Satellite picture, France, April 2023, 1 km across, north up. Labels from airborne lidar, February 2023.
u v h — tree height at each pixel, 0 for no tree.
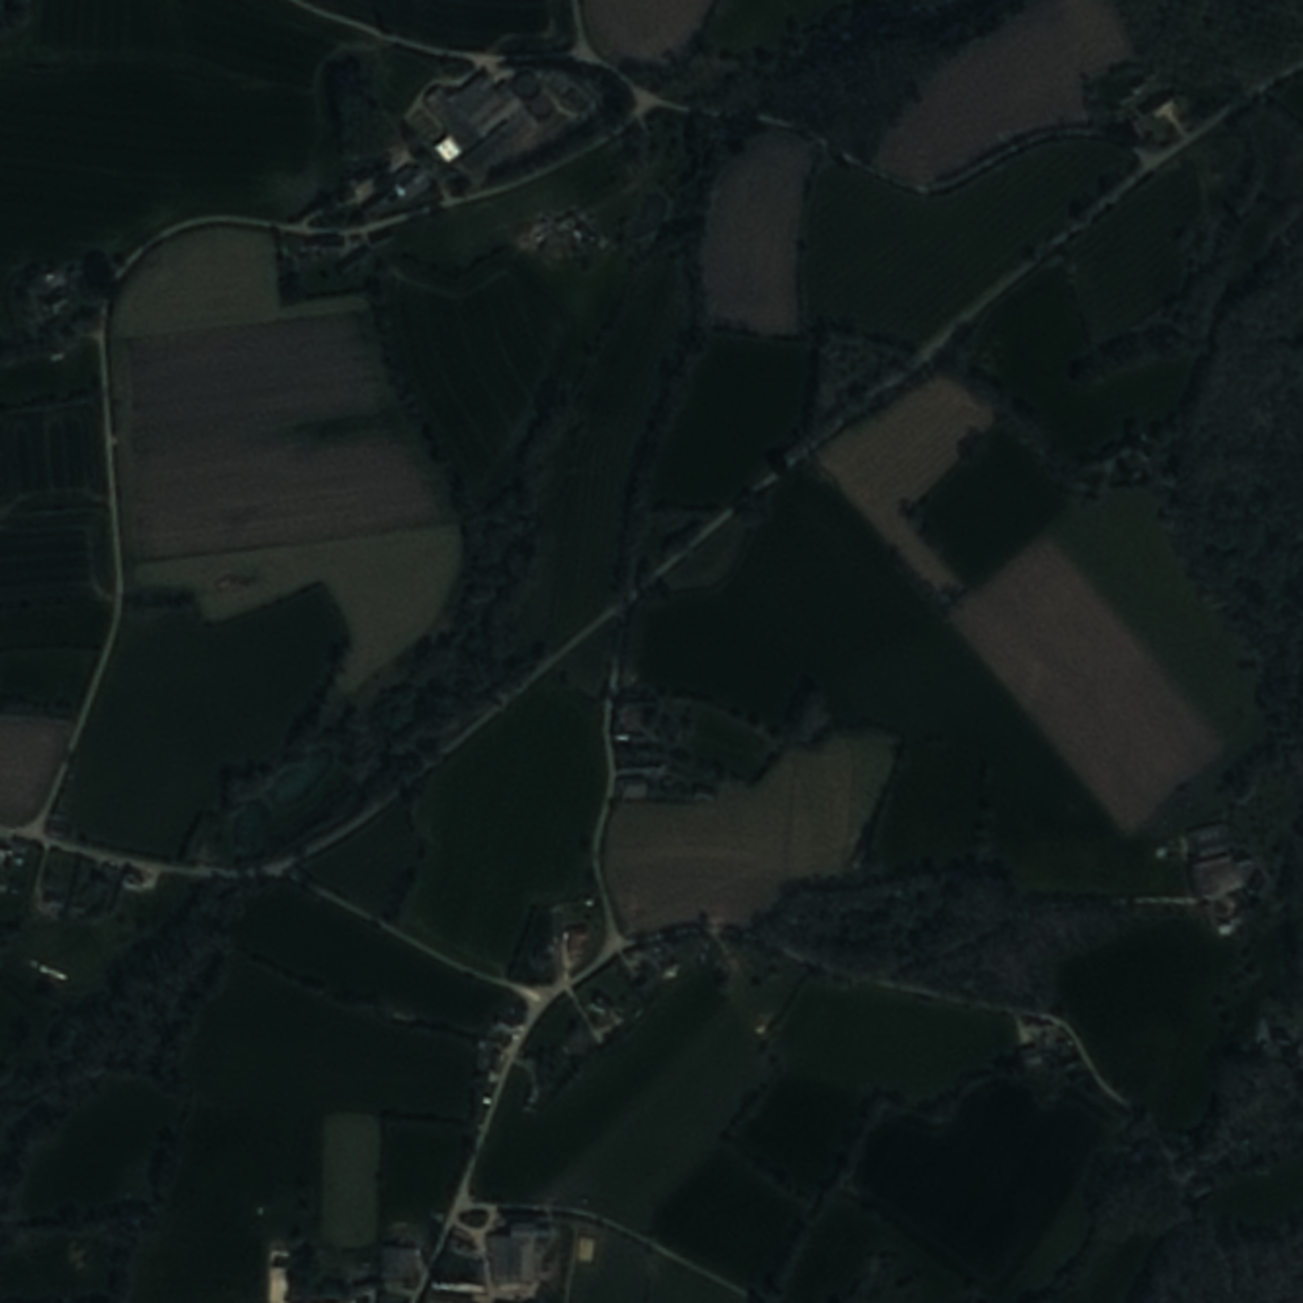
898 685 0
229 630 0
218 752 0
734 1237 0
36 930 0
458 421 0
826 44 12
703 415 0
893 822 0
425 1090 0
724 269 0
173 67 0
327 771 0
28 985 0
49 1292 0
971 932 17
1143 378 0
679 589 0
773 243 0
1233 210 11
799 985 0
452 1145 0
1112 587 0
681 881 0
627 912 0
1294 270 18
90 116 0
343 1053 0
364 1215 0
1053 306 0
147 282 0
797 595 0
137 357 0
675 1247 0
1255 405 14
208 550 0
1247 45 22
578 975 0
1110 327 0
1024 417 21
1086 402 0
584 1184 0
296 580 0
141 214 0
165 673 0
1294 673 17
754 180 0
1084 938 18
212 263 0
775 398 0
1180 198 0
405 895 12
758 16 0
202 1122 0
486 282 0
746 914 0
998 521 0
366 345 0
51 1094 9
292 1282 11
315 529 0
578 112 0
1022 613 0
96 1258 0
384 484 0
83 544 0
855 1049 0
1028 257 10
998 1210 0
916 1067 0
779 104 18
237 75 0
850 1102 0
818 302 0
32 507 0
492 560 8
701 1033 0
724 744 0
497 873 0
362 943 0
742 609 0
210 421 0
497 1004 0
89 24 0
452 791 0
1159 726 0
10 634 0
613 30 0
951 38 21
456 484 12
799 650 0
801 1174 0
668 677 0
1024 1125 0
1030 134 7
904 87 16
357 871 0
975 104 0
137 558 0
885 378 9
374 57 0
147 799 0
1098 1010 0
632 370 0
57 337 13
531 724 0
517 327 0
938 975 23
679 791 7
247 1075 0
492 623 27
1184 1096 0
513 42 0
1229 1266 22
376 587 0
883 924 10
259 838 0
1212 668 0
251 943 0
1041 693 0
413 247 0
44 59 0
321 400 0
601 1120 0
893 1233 0
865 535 0
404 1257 0
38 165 0
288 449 0
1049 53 0
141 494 0
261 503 0
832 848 0
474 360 0
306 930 0
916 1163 0
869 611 0
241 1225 0
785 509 0
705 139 13
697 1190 0
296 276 11
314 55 0
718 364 0
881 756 0
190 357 0
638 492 10
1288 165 0
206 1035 0
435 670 12
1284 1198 0
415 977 0
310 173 0
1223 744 0
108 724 0
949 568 0
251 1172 0
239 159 0
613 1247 0
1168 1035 0
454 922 0
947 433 0
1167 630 0
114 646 0
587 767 0
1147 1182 30
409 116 0
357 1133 0
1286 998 22
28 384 0
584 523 0
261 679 0
